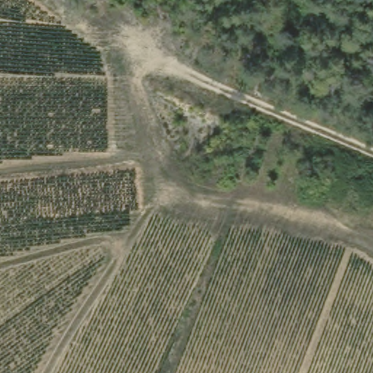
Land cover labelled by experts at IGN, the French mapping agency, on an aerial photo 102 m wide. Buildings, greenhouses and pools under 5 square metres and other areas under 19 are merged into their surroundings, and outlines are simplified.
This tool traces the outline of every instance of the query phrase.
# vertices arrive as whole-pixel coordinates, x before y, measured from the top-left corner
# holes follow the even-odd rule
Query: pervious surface
[[[307,133],[326,138],[347,149],[356,150],[364,156],[373,157],[373,146],[367,146],[364,141],[339,133],[334,128],[325,127],[310,119],[299,118],[293,112],[275,112],[274,105],[265,102],[267,98],[259,90],[252,90],[249,95],[243,95],[235,87],[216,82],[192,67],[179,63],[175,57],[166,57],[163,50],[156,48],[156,41],[149,32],[143,31],[143,25],[134,28],[122,25],[118,41],[125,45],[125,54],[130,57],[131,70],[134,73],[131,82],[134,85],[140,85],[143,77],[150,73],[156,76],[173,76],[248,106]]]

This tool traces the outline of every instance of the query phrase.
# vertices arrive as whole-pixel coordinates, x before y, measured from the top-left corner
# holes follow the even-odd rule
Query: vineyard
[[[105,152],[108,149],[106,87],[95,80],[63,80],[55,77],[58,71],[105,74],[99,51],[82,38],[77,38],[76,34],[64,26],[29,25],[26,23],[26,17],[20,13],[19,7],[4,9],[1,0],[0,0],[0,162],[4,159],[32,159],[34,156],[61,156],[68,152],[68,149],[80,152]]]
[[[114,170],[112,173],[61,173],[51,178],[0,182],[0,373],[373,373],[373,258],[366,252],[354,248],[356,239],[353,233],[342,232],[338,227],[328,224],[318,226],[315,223],[291,221],[278,214],[270,214],[262,208],[256,211],[240,211],[240,201],[230,192],[221,189],[216,194],[219,207],[176,203],[162,205],[160,208],[147,208],[146,213],[138,214],[134,169]]]

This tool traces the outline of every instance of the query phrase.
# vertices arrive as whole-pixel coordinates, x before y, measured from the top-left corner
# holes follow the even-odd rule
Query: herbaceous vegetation
[[[356,239],[354,248],[366,252],[373,258],[373,214],[356,216],[345,214],[334,207],[325,214],[323,211],[302,208],[297,200],[297,189],[303,178],[299,176],[296,162],[303,153],[297,150],[291,152],[281,143],[283,133],[271,133],[255,179],[245,176],[236,181],[219,182],[210,178],[204,185],[194,184],[184,175],[184,163],[178,162],[176,154],[173,153],[181,147],[179,140],[188,141],[185,156],[189,156],[195,149],[195,143],[203,141],[208,133],[213,133],[214,127],[219,124],[224,114],[248,106],[173,76],[156,76],[150,73],[143,77],[140,85],[134,85],[131,82],[134,73],[131,70],[130,57],[125,54],[125,45],[118,41],[122,25],[134,28],[143,25],[143,31],[149,32],[156,41],[156,48],[163,50],[166,57],[175,57],[179,63],[192,67],[200,48],[195,47],[194,42],[189,42],[188,50],[179,48],[184,44],[185,38],[182,35],[172,36],[172,25],[163,20],[165,12],[162,7],[157,10],[159,17],[140,17],[136,15],[133,7],[112,0],[1,0],[4,9],[19,7],[20,13],[26,17],[26,23],[29,25],[64,26],[76,34],[77,38],[82,38],[99,51],[105,74],[58,71],[55,77],[63,80],[95,80],[106,87],[108,149],[105,152],[80,152],[68,149],[68,152],[61,156],[34,156],[32,159],[4,159],[0,162],[0,182],[51,178],[61,173],[112,173],[114,170],[134,169],[138,214],[146,213],[147,208],[160,208],[162,205],[176,203],[219,207],[216,194],[221,189],[230,192],[240,201],[240,211],[256,211],[262,208],[270,214],[278,214],[291,221],[315,223],[318,226],[328,224],[338,227],[342,232],[353,233]]]

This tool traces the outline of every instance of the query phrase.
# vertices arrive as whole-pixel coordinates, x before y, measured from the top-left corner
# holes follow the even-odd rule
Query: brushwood
[[[323,211],[325,214],[334,207],[345,214],[356,216],[373,214],[373,157],[364,156],[356,150],[347,149],[326,138],[307,133],[248,106],[224,114],[219,124],[214,127],[213,133],[208,133],[203,141],[195,143],[195,149],[189,156],[185,156],[188,141],[179,140],[181,147],[173,153],[176,154],[178,162],[184,163],[184,175],[194,184],[204,185],[210,178],[219,182],[236,181],[245,176],[255,179],[271,133],[283,133],[281,143],[291,152],[297,150],[303,153],[296,162],[299,176],[303,178],[297,189],[297,200],[302,208]]]

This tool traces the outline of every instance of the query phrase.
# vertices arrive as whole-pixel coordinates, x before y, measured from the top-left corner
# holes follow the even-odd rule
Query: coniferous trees
[[[179,48],[188,50],[189,42],[194,42],[195,47],[200,48],[192,67],[216,82],[235,87],[243,95],[249,95],[252,90],[259,90],[267,98],[265,102],[274,105],[275,112],[293,112],[299,118],[310,119],[325,127],[334,128],[339,133],[364,141],[367,146],[373,146],[373,0],[112,0],[133,7],[136,15],[140,17],[159,17],[157,10],[162,7],[165,12],[163,20],[172,25],[172,36],[182,35],[185,38],[184,44]]]

